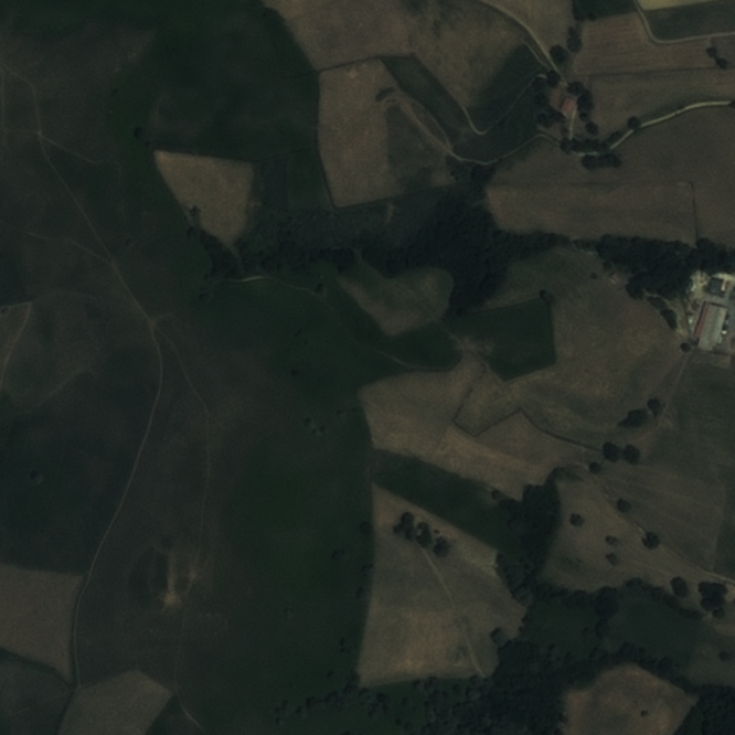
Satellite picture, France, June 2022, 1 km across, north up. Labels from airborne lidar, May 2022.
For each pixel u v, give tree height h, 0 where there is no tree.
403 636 0
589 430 0
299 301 0
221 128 0
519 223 0
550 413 0
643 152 0
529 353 0
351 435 0
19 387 0
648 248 17
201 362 0
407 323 0
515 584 13
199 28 0
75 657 0
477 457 0
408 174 0
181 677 0
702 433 0
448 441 0
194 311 0
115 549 0
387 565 0
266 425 0
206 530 0
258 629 0
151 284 0
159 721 0
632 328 0
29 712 0
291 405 0
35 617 0
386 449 0
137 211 0
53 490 0
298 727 0
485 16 0
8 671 0
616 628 0
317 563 0
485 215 11
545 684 10
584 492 0
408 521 14
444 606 0
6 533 0
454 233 17
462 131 0
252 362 0
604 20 0
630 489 0
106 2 0
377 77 0
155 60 0
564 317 0
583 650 0
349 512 0
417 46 0
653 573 0
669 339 0
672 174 0
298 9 0
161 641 0
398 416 0
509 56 0
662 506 0
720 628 0
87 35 0
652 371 0
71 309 0
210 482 0
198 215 12
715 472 0
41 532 0
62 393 0
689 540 0
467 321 0
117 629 0
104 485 0
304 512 0
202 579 0
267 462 0
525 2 0
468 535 0
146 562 0
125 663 0
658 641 0
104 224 0
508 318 0
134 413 0
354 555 0
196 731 0
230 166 0
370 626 0
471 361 0
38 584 0
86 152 0
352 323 0
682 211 0
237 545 0
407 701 10
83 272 0
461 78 0
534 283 0
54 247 0
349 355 0
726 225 0
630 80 0
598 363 0
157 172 0
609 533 0
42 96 0
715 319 0
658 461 0
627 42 0
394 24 0
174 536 0
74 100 0
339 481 0
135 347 0
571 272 0
